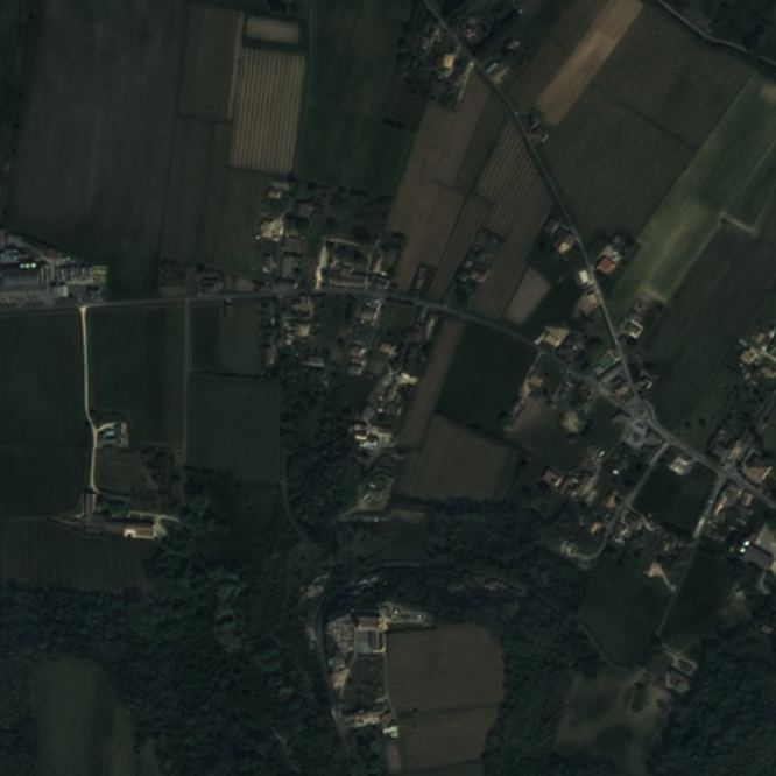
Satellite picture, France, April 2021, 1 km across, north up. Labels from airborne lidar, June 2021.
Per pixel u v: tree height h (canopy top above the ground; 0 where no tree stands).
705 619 0
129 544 0
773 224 0
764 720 15
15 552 0
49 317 0
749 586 9
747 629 11
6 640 13
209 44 0
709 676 13
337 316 0
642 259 0
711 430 0
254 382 0
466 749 0
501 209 0
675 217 0
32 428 0
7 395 0
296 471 12
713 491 7
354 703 0
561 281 0
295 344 8
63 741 0
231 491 0
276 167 0
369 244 29
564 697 25
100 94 0
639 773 0
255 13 0
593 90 0
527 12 0
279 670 9
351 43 0
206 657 6
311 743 10
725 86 0
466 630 0
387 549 0
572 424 0
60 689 0
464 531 23
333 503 11
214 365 0
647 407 0
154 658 17
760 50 25
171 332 0
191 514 13
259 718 0
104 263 0
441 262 0
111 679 13
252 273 0
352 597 8
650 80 0
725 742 17
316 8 0
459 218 0
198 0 0
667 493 0
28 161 0
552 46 0
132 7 0
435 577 15
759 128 0
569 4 0
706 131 0
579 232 0
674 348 0
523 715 20
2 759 20
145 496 6
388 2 0
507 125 0
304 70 0
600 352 14
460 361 0
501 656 0
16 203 0
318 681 9
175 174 0
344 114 0
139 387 0
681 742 15
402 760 0
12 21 0
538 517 16
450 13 14
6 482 0
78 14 0
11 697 13
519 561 16
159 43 0
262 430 0
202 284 0
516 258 0
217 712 22
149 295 0
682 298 0
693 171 0
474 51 7
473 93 0
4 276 0
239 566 14
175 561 15
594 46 0
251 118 0
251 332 0
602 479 0
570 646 15
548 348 0
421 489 0
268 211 0
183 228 0
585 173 0
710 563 0
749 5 0
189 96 0
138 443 0
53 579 0
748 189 0
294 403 9
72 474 0
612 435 0
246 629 11
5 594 11
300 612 7
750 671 12
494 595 7
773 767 8
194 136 0
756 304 0
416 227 0
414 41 10
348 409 6
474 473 0
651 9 0
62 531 0
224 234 0
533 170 0
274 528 9
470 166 0
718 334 0
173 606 24
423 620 0
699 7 0
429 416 0
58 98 0
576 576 10
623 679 0
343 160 0
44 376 0
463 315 0
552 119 0
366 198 10
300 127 0
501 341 0
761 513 0
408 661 0
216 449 0
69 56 0
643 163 0
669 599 0
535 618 21
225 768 21
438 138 0
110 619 10
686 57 0
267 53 0
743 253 0
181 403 0
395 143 0
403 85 0
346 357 0
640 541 9
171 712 11
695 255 0
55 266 0
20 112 0
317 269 0
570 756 0
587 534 16
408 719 0
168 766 20
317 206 7
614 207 0
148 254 0
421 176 0
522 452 0
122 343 0
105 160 0
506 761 13
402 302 9
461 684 0
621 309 0
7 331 0
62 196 0
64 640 15
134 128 0
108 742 0
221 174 0
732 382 0
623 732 0
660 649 14
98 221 0
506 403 0
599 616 0
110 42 0
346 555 15
